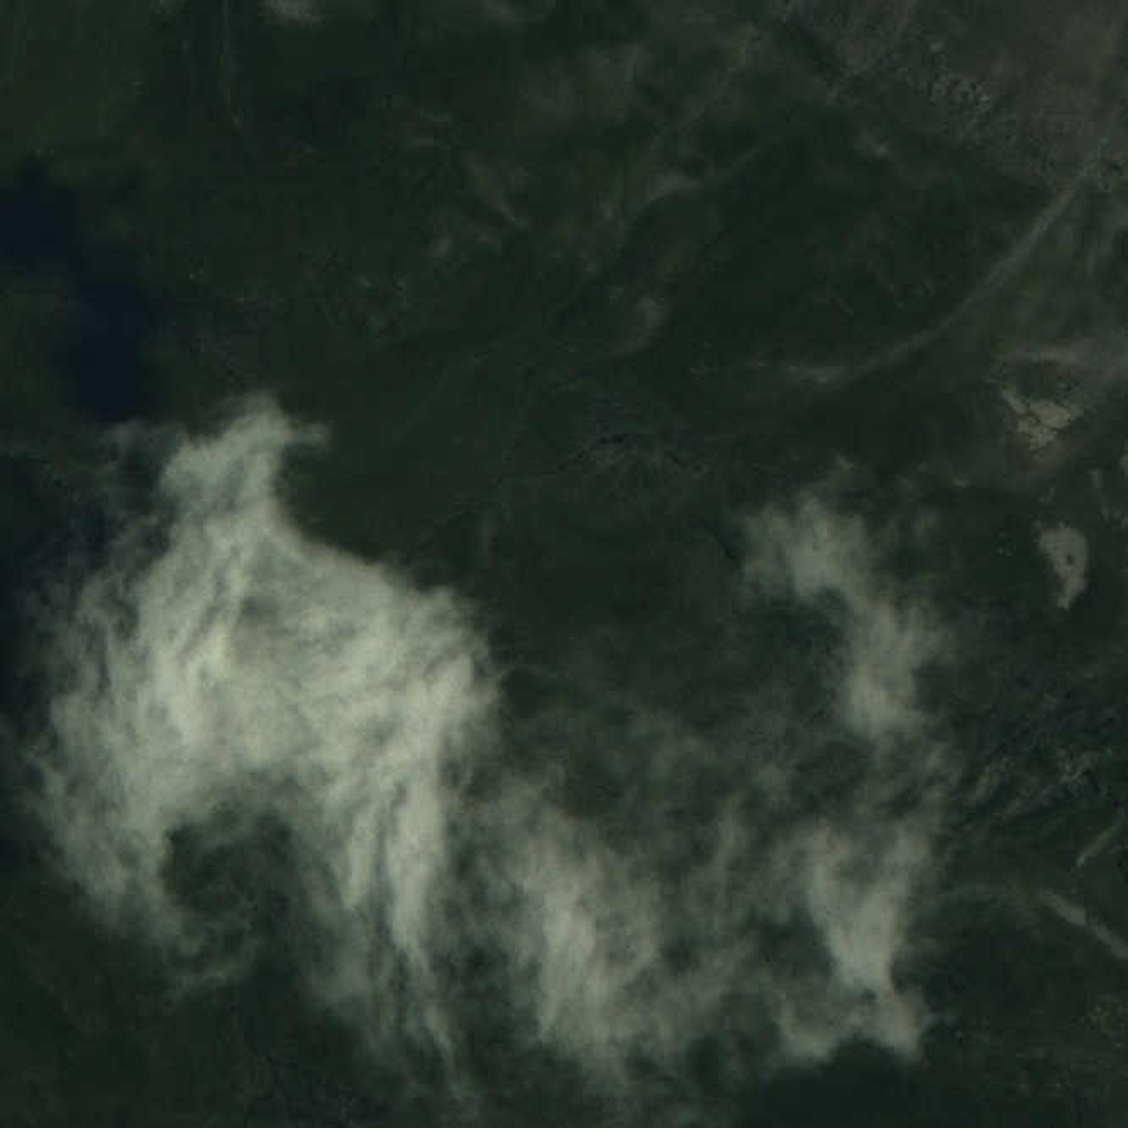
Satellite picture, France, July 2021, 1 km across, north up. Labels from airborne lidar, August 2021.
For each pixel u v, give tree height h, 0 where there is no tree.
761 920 0
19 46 0
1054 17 0
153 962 0
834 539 0
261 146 0
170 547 0
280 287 0
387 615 0
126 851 0
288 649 0
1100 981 0
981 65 0
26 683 0
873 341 0
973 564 0
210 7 0
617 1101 0
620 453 0
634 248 0
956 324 0
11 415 0
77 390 0
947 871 0
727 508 0
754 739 0
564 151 0
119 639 0
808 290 0
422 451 0
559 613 0
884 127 0
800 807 0
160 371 0
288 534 0
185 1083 0
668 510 0
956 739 0
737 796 0
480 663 0
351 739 0
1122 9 0
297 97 0
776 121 0
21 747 0
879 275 0
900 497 0
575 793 0
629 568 0
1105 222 0
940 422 0
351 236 0
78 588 0
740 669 0
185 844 0
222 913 0
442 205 0
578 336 0
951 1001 0
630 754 0
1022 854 0
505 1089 0
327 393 0
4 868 0
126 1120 0
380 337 0
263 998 0
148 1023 0
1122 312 0
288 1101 0
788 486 0
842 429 0
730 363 0
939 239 0
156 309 0
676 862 0
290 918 8
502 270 0
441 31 0
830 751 0
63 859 0
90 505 0
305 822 0
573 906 0
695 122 0
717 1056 0
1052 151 0
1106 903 0
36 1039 0
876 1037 0
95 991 0
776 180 0
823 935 0
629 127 0
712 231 0
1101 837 0
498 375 0
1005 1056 0
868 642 0
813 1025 0
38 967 0
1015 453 0
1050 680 0
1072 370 0
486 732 0
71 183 0
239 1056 0
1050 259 0
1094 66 0
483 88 0
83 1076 0
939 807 0
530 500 0
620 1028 0
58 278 0
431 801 0
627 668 0
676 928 0
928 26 0
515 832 0
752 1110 0
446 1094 0
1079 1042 0
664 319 0
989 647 0
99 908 0
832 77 0
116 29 0
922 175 0
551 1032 0
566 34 0
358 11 0
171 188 0
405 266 0
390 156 0
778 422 0
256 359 0
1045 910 0
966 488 0
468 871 0
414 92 0
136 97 0
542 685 0
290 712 0
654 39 0
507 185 0
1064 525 0
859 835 0
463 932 0
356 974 0
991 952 0
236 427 0
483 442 0
